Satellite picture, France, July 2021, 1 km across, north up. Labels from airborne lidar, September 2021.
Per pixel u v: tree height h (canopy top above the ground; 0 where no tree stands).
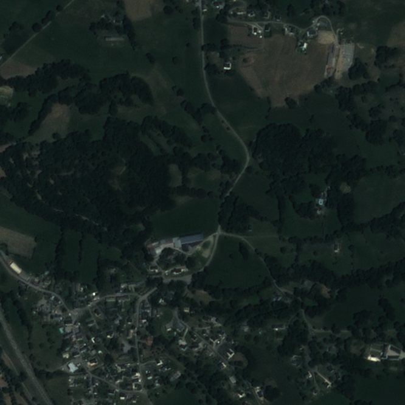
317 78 0
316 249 0
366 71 15
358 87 19
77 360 0
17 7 0
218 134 0
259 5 15
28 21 0
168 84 0
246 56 0
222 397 13
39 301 0
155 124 13
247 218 15
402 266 24
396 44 0
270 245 0
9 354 0
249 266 0
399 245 0
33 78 22
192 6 0
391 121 14
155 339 11
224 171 17
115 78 17
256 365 16
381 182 0
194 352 0
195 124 0
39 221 0
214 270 0
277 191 22
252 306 19
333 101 0
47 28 0
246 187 0
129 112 0
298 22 0
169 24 0
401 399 0
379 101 0
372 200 0
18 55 0
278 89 0
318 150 19
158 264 9
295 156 19
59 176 9
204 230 0
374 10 0
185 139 20
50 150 15
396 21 0
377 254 0
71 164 10
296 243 19
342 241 0
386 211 0
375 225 15
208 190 0
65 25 0
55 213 13
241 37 0
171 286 22
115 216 16
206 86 0
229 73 23
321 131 16
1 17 0
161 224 0
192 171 0
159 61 0
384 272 19
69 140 16
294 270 16
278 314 18
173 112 0
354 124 14
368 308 0
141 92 15
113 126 16
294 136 19
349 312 0
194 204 0
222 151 14
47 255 0
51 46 0
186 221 0
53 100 19
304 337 20
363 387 0
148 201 17
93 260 0
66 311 7
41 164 13
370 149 0
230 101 0
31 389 0
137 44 12
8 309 21
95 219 10
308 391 0
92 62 0
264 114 0
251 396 16
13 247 0
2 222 0
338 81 0
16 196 20
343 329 0
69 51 0
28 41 0
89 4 0
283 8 0
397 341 20
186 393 0
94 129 0
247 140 0
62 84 0
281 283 23
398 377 9
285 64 0
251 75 0
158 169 15
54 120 0
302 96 0
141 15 0
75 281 22
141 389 0
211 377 11
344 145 0
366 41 0
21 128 0
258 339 10
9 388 9
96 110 21
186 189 20
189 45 13
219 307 21
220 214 14
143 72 0
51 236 0
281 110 0
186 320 11
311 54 0
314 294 16
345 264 0
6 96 0
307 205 12
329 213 0
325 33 0
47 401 0
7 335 0
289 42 0
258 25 0
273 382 0
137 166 12
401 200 0
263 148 10
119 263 15
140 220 15
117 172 0
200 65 0
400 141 15
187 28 0
